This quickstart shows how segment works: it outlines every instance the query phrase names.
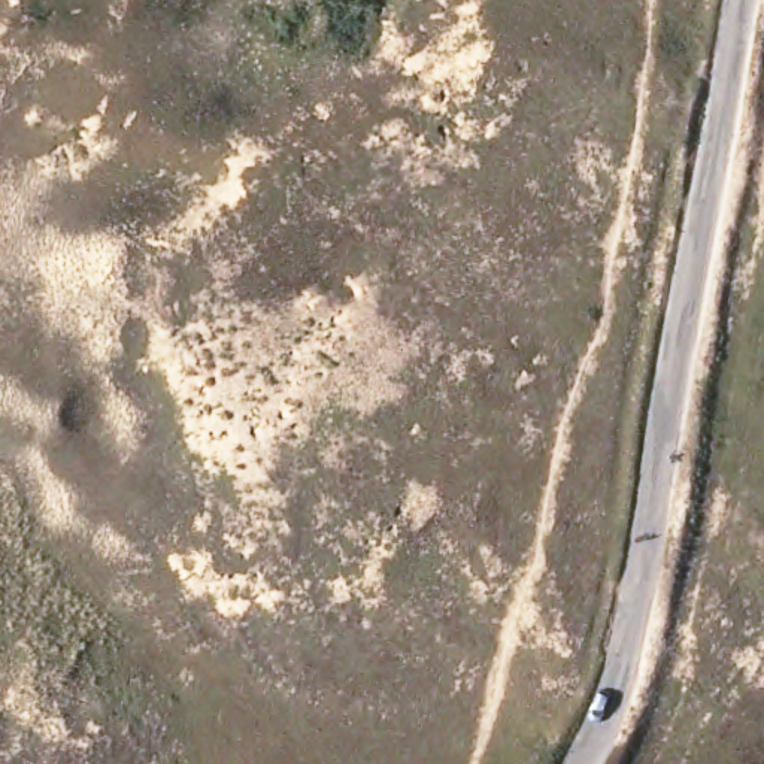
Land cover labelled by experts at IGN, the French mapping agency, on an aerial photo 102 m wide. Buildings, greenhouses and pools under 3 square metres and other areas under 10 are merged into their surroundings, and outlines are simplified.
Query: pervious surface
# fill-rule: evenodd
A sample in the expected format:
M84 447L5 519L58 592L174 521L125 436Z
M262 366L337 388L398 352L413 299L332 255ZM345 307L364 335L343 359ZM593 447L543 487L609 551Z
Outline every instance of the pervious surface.
M636 764L651 740L663 704L663 689L674 677L671 669L680 657L680 624L686 618L689 588L689 570L698 555L704 528L713 489L713 427L731 346L728 316L734 278L740 269L743 248L764 248L764 51L761 122L755 125L749 143L743 191L737 200L725 248L725 269L716 301L716 334L698 400L689 507L680 531L660 657L645 689L645 704L633 725L633 734L606 764Z
M537 528L528 549L528 564L519 567L516 594L498 636L498 651L489 669L483 698L469 764L483 764L516 648L519 630L534 624L537 618L534 585L546 567L546 537L555 525L555 492L570 454L570 421L585 394L588 376L597 367L597 352L612 331L615 284L621 281L624 266L639 266L639 233L633 203L633 173L642 167L651 96L648 84L657 63L657 0L645 0L645 57L636 78L636 122L630 152L621 167L618 212L612 221L603 239L603 313L594 328L594 337L588 340L576 364L567 400L558 412L555 445L537 510Z

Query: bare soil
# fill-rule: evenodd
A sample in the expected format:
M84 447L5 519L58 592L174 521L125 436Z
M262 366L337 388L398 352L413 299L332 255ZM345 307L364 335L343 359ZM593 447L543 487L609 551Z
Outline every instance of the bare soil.
M728 495L713 489L704 528L710 534L719 534L725 522Z
M597 212L606 212L612 221L618 212L621 167L612 164L612 149L606 143L576 140L576 170L582 182L591 185L591 197L579 197L579 206L573 212L558 206L558 215L567 224L585 221Z
M122 349L122 322L134 316L146 322L149 352L137 361L137 367L143 373L167 376L188 442L188 451L176 460L173 475L176 483L197 480L197 489L203 495L203 513L194 516L194 522L176 522L170 534L158 534L152 543L143 543L140 549L134 549L110 525L98 528L75 510L75 495L51 472L42 454L48 448L51 430L60 424L60 409L48 400L36 403L9 376L0 376L0 764L164 764L182 752L182 743L170 740L167 722L155 710L146 710L143 719L134 716L131 722L122 722L119 740L110 740L98 728L101 701L96 698L96 677L84 677L84 669L96 663L96 639L90 639L87 633L104 630L116 609L122 609L131 621L140 621L143 627L152 627L158 642L170 642L185 630L203 630L209 621L218 627L221 636L233 636L239 630L239 618L257 606L278 615L284 624L295 627L298 612L313 612L313 618L325 618L328 612L334 612L337 621L346 621L346 600L358 600L364 609L382 606L382 564L397 555L403 531L409 531L412 525L421 528L436 513L439 495L430 486L409 483L403 510L388 531L382 528L382 516L376 510L370 510L361 519L352 519L349 501L325 495L331 483L340 478L340 469L346 469L346 460L340 460L340 454L367 445L373 451L373 460L388 460L391 442L382 436L364 436L364 415L370 415L382 403L400 400L412 382L427 379L439 355L451 358L448 370L454 379L463 379L469 361L492 364L492 352L460 352L457 343L442 343L442 328L436 319L424 319L409 334L394 331L376 313L379 275L373 272L346 278L352 298L346 304L331 304L325 295L304 289L298 298L284 301L272 313L263 310L257 301L236 298L233 275L224 260L209 266L212 284L191 295L194 319L188 325L167 328L161 322L161 313L143 295L128 298L128 287L122 281L122 236L66 236L42 209L42 197L51 188L51 179L81 179L87 170L93 170L101 158L113 152L116 143L98 134L98 122L107 116L107 98L98 98L96 113L84 119L84 131L78 140L57 146L54 152L36 161L0 167L0 275L45 281L42 316L60 334L81 337L84 373L93 373L101 388L101 409L104 421L113 427L119 463L134 460L140 439L134 430L137 409L116 388L110 358Z
M460 663L454 669L454 692L472 689L483 698L489 669L486 663Z
M161 248L164 257L191 254L194 230L212 227L221 215L221 206L236 206L257 188L257 173L251 167L269 161L269 149L254 143L251 137L230 137L227 179L212 185L200 173L176 173L176 185L191 188L194 194L188 212L176 221L164 221L158 227L143 230L146 245Z
M87 60L87 48L75 48L66 42L45 42L30 54L21 51L30 30L15 30L9 24L12 12L18 9L18 0L0 0L0 107L6 87L12 87L24 72L42 78L57 60Z
M549 648L558 657L570 657L567 633L546 633L543 621L537 618L534 624L519 630L516 648Z
M466 143L495 137L501 128L507 128L510 116L498 113L489 122L478 122L466 119L466 113L457 113L457 125L445 128L442 146L427 146L424 137L406 131L397 119L376 125L373 134L367 134L364 140L367 152L373 155L370 164L388 167L388 158L397 152L403 161L403 179L409 185L439 185L448 167L475 167L478 155L466 152Z
M701 81L689 113L686 146L671 155L671 164L683 170L680 197L686 197L695 170L704 104L710 96L719 21L713 21L704 63L695 63Z
M689 692L695 671L692 627L698 618L701 588L689 588L686 618L680 624L680 657L671 669L674 677L680 683L680 692Z
M394 63L406 75L418 75L424 81L412 90L391 90L388 104L418 101L430 113L445 113L448 104L466 104L475 98L483 63L492 54L486 30L480 24L478 3L463 3L457 24L448 33L442 33L439 42L427 45L415 57L403 45L397 24L382 21L379 48L367 63L355 63L352 78L382 75L388 63Z
M746 671L746 680L755 689L764 686L764 630L746 624L743 636L749 648L734 654L734 663Z
M439 552L451 564L457 564L463 579L469 582L469 591L475 597L469 603L472 624L486 624L498 636L516 594L519 567L504 564L489 546L480 546L480 555L469 561L448 531L436 534Z
M666 310L677 266L677 248L683 236L683 212L680 209L674 224L666 224L660 230L651 263L654 284L648 298Z
M633 203L651 197L654 173L642 167L633 173Z

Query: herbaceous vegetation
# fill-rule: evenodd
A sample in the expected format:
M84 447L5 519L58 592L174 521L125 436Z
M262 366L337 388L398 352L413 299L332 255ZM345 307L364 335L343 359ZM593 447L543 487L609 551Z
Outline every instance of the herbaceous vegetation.
M60 409L60 424L51 430L48 448L42 454L51 472L75 495L75 510L98 528L110 525L134 549L140 549L143 543L152 543L158 534L170 534L176 522L194 522L194 516L203 513L203 495L197 489L197 480L176 483L173 475L176 460L188 451L188 442L167 376L143 373L137 367L137 361L149 352L146 322L134 316L122 322L122 349L110 358L116 388L137 409L134 430L140 439L134 460L119 463L113 427L104 421L101 409L101 388L93 373L84 373L81 337L60 334L42 316L45 281L0 275L0 376L9 376L36 403L48 400Z
M555 525L546 537L546 567L534 585L537 618L543 621L546 633L567 633L570 657L558 657L549 648L516 648L483 764L564 764L597 695L597 683L606 671L606 648L624 582L621 549L627 525L636 522L648 409L657 379L666 310L648 298L654 284L651 263L660 230L666 224L674 224L680 209L683 212L686 197L680 197L683 170L671 164L671 155L686 146L689 113L701 81L695 63L704 63L713 21L719 21L719 0L657 0L657 63L648 84L651 96L642 167L654 173L651 197L633 203L639 233L639 266L624 266L621 281L615 284L612 331L597 352L597 367L588 376L585 394L570 421L570 454L555 492Z
M674 677L663 689L663 704L651 740L636 764L764 764L764 686L755 689L746 680L746 671L734 663L734 654L749 648L743 636L746 624L764 630L764 248L743 248L740 269L734 278L728 316L731 346L713 427L713 489L728 495L725 522L719 534L710 534L704 528L698 555L689 570L689 588L701 588L698 618L692 627L695 671L689 692L680 692L680 683Z
M463 379L454 379L448 370L451 358L439 355L427 379L412 382L400 400L382 403L370 415L364 415L364 436L382 436L391 442L388 460L373 460L373 451L367 445L340 454L340 460L346 460L346 469L340 469L340 478L331 483L325 495L349 501L352 519L361 519L370 510L376 510L382 516L382 528L388 531L403 510L409 483L430 486L439 495L436 513L421 528L412 525L409 531L403 531L397 555L382 564L382 606L364 609L358 600L346 600L346 621L337 621L334 612L328 612L325 618L313 618L313 612L298 612L295 627L284 624L278 615L257 606L239 618L239 630L233 636L221 636L218 627L209 621L203 630L185 630L170 642L158 642L152 627L143 627L140 621L131 621L122 609L116 609L104 630L87 633L90 639L96 639L96 663L84 669L84 677L96 677L96 698L101 701L98 728L110 740L119 740L122 722L131 722L134 716L143 719L146 710L155 710L167 722L170 740L182 743L182 752L164 764L469 764L483 698L472 689L454 692L454 669L460 663L486 663L489 669L498 651L498 636L486 624L472 624L469 603L475 597L469 591L469 582L463 579L457 564L451 564L439 552L436 534L448 531L469 561L480 555L480 546L489 546L504 564L519 567L528 564L528 549L537 528L537 510L555 445L558 412L567 400L576 364L588 340L594 337L594 328L603 313L603 239L612 221L606 212L597 212L585 221L567 224L558 215L558 206L573 212L579 206L579 197L591 197L591 185L582 182L576 170L576 140L606 143L612 149L612 164L621 167L630 152L636 122L636 78L645 57L645 0L388 0L382 21L397 24L403 45L415 57L427 45L439 42L442 33L448 33L457 24L463 3L478 3L480 24L486 30L492 54L483 63L475 98L466 104L448 104L445 113L430 113L418 101L388 104L391 90L412 90L424 81L418 75L406 75L394 63L388 63L382 75L352 78L355 63L352 57L334 60L319 57L313 51L298 57L281 42L266 42L263 33L245 24L242 9L248 9L251 3L269 3L275 9L304 6L310 18L307 30L313 36L322 36L322 0L18 0L18 9L12 12L9 24L15 30L30 30L21 51L30 54L45 42L66 42L75 48L87 48L87 60L57 60L42 78L24 72L12 87L6 87L0 107L0 167L36 161L54 152L57 146L78 140L84 131L84 119L96 113L98 98L107 98L107 116L98 122L98 134L116 143L113 152L101 158L93 170L87 170L81 179L51 179L51 188L42 197L42 209L66 236L122 236L122 281L128 287L128 298L143 295L161 313L161 322L167 328L188 325L194 319L191 295L212 284L209 266L224 260L233 275L236 298L257 301L263 310L272 313L284 301L298 298L304 289L325 295L331 304L346 304L352 298L346 278L373 272L379 275L376 313L394 331L409 334L424 319L436 319L442 328L442 343L457 343L460 352L492 352L492 364L469 361ZM376 125L397 119L406 131L424 137L427 146L442 146L445 128L457 125L457 113L466 113L466 119L478 122L489 122L498 113L510 116L507 128L501 128L495 137L466 143L466 152L478 155L475 167L448 167L439 185L409 185L403 179L403 161L397 152L388 158L388 167L370 164L373 155L367 152L364 140L367 134L373 134ZM161 248L146 245L143 230L158 227L164 221L176 221L188 212L194 194L191 188L176 185L176 173L200 173L212 185L227 179L230 137L251 137L254 143L269 149L269 161L251 167L257 173L257 188L236 206L221 206L221 215L212 227L194 230L191 254L164 257Z

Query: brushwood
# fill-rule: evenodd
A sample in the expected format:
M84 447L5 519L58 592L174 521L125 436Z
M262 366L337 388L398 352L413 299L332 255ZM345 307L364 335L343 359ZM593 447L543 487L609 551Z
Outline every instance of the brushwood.
M382 21L388 0L322 0L322 36L313 36L307 30L310 18L304 6L275 9L269 3L251 3L248 9L242 9L245 24L263 33L266 42L281 42L298 57L313 51L319 57L334 60L352 57L355 63L367 63L379 48Z

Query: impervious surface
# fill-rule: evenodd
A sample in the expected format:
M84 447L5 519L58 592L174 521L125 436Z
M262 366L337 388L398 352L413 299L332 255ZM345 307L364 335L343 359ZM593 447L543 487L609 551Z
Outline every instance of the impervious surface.
M633 734L633 725L645 704L645 689L660 657L680 531L689 507L698 400L716 334L716 301L725 269L725 248L737 200L743 191L749 143L755 125L761 122L764 51L764 0L719 0L719 21L710 96L704 104L695 170L686 197L683 212L683 236L677 248L677 266L666 310L657 379L648 409L636 522L627 525L621 549L624 582L606 648L606 671L597 683L597 695L564 764L606 764Z

